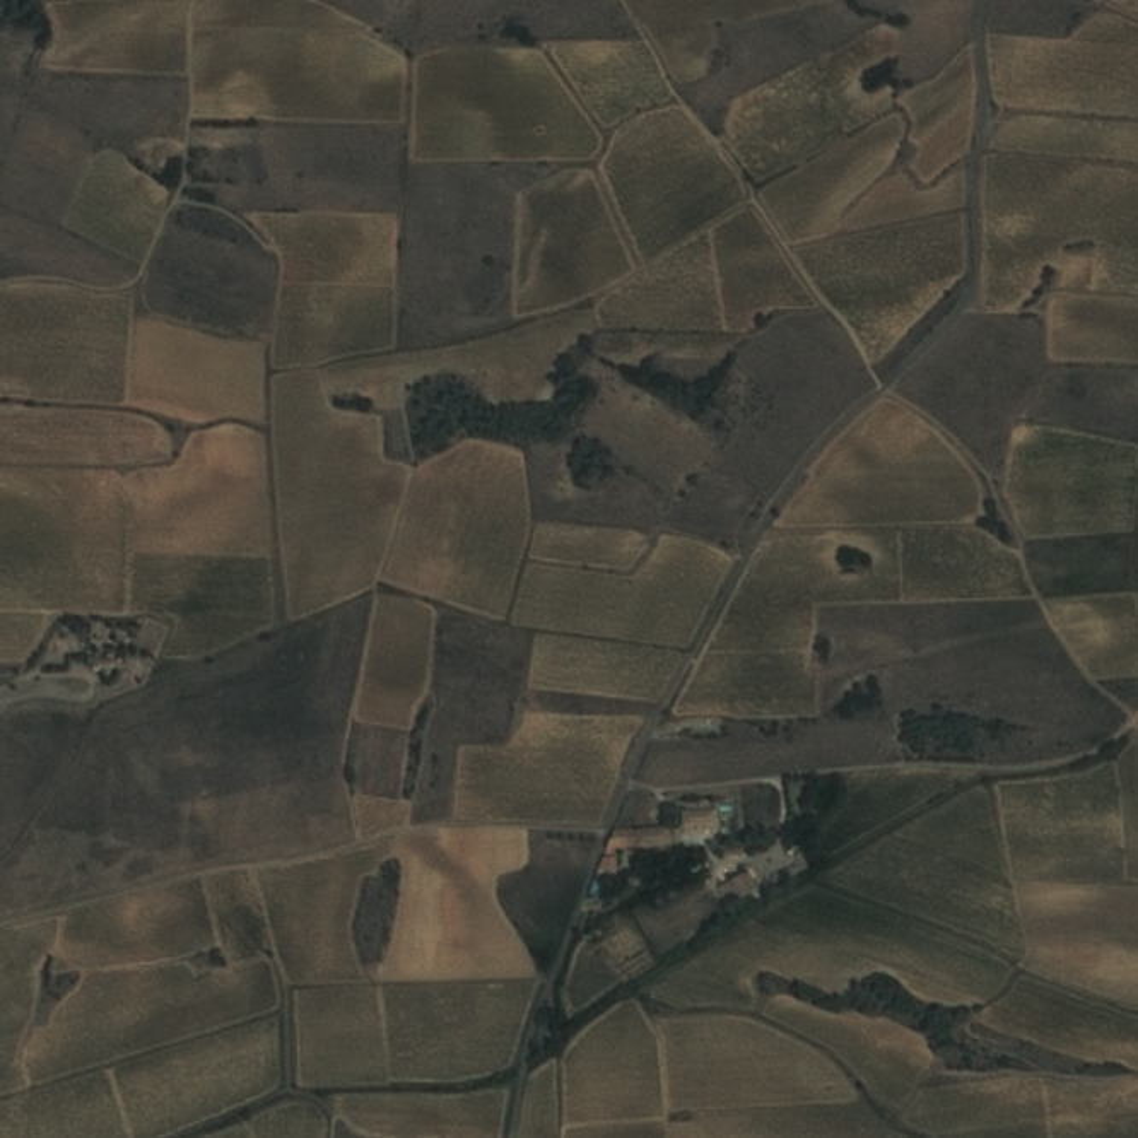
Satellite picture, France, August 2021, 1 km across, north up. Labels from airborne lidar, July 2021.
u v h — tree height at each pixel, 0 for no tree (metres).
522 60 0
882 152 0
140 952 0
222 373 0
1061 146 0
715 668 0
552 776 0
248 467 0
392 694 0
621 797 0
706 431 0
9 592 0
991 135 0
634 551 0
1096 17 0
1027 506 0
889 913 0
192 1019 0
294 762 0
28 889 0
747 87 0
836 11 0
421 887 0
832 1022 0
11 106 0
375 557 0
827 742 0
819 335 0
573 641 0
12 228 0
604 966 0
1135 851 0
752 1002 0
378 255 0
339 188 0
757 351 0
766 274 0
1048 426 0
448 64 0
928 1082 0
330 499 0
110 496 0
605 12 0
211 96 0
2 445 0
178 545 0
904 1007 11
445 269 0
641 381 6
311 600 0
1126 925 0
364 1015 0
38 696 0
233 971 0
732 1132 0
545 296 0
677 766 0
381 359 0
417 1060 0
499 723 0
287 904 0
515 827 0
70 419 0
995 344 0
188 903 0
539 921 0
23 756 0
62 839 0
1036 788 0
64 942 0
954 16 0
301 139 0
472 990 0
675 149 0
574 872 0
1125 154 0
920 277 0
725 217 0
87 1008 0
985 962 0
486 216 0
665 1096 0
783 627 0
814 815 7
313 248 0
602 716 0
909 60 0
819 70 0
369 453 0
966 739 7
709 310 0
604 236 0
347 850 0
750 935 0
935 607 0
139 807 0
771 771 0
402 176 0
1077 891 0
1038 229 0
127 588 0
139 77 0
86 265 0
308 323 0
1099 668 0
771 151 0
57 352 0
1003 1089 0
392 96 0
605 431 0
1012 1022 0
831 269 0
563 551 0
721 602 0
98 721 0
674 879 7
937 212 0
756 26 0
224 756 0
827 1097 0
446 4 0
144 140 0
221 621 0
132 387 0
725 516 0
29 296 0
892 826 0
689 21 0
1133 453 0
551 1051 8
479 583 0
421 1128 0
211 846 0
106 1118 0
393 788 0
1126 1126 0
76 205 0
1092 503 0
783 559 0
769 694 0
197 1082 0
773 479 0
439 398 8
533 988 0
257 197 0
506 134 0
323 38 0
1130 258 0
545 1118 0
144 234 0
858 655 0
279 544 0
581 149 0
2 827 0
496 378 0
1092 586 0
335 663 0
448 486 0
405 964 0
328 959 0
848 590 0
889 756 0
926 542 0
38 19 10
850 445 0
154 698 0
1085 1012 0
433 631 0
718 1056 0
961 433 0
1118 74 0
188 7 0
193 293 0
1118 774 0
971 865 0
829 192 0
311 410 0
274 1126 0
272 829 0
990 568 0
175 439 0
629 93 0
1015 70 0
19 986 0
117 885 0
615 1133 0
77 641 0
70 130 0
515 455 0
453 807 0
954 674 0
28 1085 0
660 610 0
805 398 0
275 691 0
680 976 0
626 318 0
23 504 0
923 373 0
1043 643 0
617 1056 0
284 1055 0
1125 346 0
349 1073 0
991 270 0
